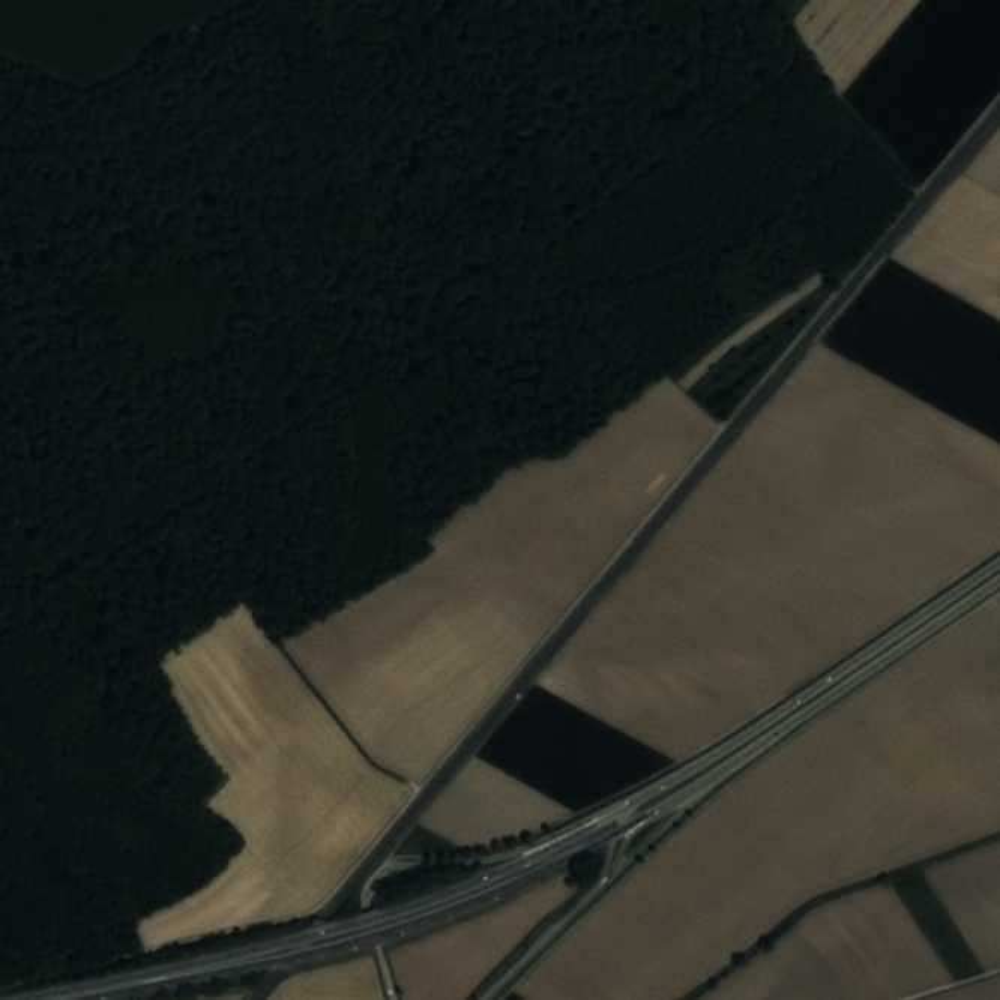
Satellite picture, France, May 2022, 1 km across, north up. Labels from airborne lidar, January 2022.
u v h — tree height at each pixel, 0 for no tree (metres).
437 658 0
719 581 0
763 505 0
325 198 29
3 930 22
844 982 0
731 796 0
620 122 24
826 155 12
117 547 15
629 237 18
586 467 0
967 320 0
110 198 25
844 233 17
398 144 27
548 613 0
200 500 25
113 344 25
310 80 26
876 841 0
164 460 20
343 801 0
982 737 0
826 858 0
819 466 0
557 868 0
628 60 27
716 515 0
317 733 0
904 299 0
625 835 0
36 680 18
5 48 0
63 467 17
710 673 0
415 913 0
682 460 0
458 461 21
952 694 0
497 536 0
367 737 0
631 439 0
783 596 0
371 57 21
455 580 0
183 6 0
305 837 0
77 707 19
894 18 0
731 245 18
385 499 11
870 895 0
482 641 0
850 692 0
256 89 25
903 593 0
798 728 0
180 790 19
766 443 0
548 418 19
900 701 0
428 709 0
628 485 0
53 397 26
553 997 0
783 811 0
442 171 25
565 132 18
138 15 0
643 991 0
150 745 17
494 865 0
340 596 13
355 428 12
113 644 19
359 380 9
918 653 0
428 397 9
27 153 28
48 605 25
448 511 14
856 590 0
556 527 0
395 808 0
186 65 19
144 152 29
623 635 0
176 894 15
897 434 0
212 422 22
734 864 0
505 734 0
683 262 19
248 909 0
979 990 0
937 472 0
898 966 0
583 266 19
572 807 0
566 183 20
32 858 22
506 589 0
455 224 26
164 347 8
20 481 20
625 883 0
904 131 0
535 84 26
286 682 0
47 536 21
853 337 0
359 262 26
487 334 23
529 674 0
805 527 0
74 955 10
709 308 17
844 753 0
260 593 19
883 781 0
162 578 26
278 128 21
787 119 14
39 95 21
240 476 21
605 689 0
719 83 18
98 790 18
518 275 25
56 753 14
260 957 0
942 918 0
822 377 0
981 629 0
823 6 0
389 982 0
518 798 0
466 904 0
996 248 0
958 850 0
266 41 24
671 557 0
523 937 0
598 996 0
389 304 27
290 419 19
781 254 22
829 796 0
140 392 21
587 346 28
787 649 0
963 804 0
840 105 14
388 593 0
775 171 15
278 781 0
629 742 0
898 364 0
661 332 18
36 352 24
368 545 11
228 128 29
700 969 0
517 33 28
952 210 0
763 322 0
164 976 0
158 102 24
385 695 0
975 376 0
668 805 0
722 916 0
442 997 0
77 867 22
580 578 0
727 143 16
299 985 0
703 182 17
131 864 15
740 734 0
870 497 0
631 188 17
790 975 0
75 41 0
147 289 11
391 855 0
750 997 0
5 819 22
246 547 27
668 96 6
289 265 22
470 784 0
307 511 23
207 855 15
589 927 0
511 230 26
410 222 24
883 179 16
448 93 17
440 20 25
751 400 0
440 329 23
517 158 21
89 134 22
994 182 0
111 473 26
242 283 18
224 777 15
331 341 21
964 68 0
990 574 0
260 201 24
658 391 0
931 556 0
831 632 0
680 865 0
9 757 16
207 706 0
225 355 17
